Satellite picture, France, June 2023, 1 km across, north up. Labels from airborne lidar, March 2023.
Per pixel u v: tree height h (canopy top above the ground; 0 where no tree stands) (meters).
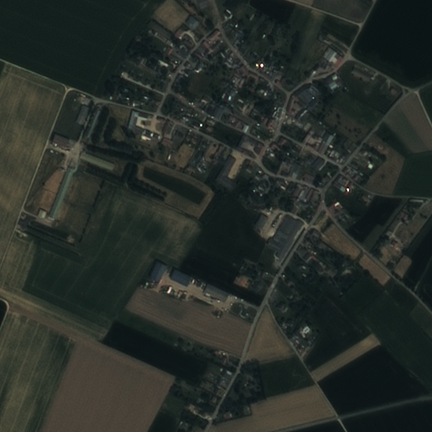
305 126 0
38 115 0
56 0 0
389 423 0
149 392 0
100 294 0
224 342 0
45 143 0
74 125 0
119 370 0
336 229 0
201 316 0
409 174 0
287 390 0
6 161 0
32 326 0
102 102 0
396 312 0
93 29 0
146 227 0
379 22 0
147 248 0
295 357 0
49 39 0
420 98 0
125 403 0
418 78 0
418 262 0
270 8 0
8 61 0
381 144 0
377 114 0
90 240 0
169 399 0
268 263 0
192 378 0
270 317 0
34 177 0
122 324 0
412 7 0
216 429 0
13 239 0
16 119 0
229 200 0
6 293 0
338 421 0
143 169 0
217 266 0
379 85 0
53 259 0
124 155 10
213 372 0
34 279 0
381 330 0
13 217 0
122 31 0
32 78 0
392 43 0
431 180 0
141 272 0
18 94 0
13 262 0
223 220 0
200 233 0
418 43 0
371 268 0
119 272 0
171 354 0
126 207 0
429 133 0
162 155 0
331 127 0
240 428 0
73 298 0
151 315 0
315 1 0
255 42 0
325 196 0
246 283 0
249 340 0
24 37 0
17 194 0
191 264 0
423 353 0
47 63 0
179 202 0
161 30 0
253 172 0
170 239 0
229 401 14
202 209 0
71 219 0
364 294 0
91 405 0
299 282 7
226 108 0
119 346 0
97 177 0
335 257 14
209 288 0
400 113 0
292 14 0
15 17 0
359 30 0
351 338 0
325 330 0
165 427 0
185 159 0
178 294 6
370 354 0
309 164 0
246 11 0
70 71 0
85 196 0
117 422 0
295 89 0
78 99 0
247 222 0
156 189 6
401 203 0
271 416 0
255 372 15
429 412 0
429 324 0
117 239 0
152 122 0
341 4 0
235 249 0
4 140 0
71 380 0
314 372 0
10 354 0
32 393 0
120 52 0
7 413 0
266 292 0
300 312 9
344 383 0
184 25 0
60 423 0
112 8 0
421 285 0
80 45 0
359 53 0
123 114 0
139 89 8
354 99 0
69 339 0
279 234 0
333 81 0
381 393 0
